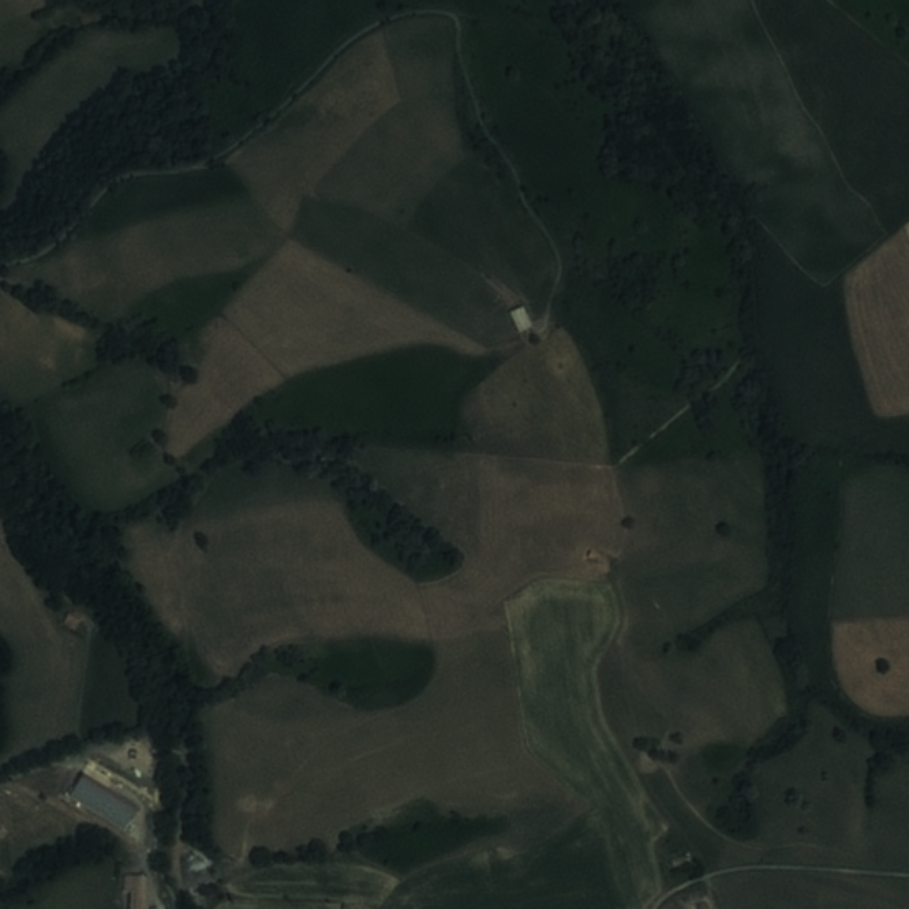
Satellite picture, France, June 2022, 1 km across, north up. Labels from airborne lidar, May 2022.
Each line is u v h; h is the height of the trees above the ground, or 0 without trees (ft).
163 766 58
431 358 0
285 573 0
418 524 23
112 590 88
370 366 0
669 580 0
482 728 0
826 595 0
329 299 0
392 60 0
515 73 54
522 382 0
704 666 0
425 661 0
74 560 71
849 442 0
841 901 0
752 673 0
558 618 0
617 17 55
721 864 0
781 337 0
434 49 0
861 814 0
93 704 0
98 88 0
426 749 0
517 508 0
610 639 0
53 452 0
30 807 0
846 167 0
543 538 0
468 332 0
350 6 0
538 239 0
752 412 42
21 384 0
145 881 0
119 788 0
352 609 0
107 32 29
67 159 65
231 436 40
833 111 0
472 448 0
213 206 0
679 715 0
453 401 0
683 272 20
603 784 0
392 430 0
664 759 41
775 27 0
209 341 0
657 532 0
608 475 0
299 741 0
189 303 0
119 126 66
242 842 0
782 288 0
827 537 0
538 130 0
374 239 0
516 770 0
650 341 0
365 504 21
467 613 0
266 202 0
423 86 0
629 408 0
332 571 0
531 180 0
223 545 0
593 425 0
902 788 0
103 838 65
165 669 34
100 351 43
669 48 0
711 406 52
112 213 0
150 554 0
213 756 0
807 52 0
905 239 0
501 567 0
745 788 63
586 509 0
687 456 0
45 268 0
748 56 0
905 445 0
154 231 0
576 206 0
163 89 46
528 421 0
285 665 36
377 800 0
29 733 0
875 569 0
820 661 0
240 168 0
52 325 0
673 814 0
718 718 0
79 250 0
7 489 50
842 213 0
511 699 0
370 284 0
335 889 0
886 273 0
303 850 40
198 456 0
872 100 0
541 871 0
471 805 0
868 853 0
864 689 0
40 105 0
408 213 0
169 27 35
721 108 0
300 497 0
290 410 0
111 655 0
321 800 0
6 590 0
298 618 0
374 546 23
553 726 0
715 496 0
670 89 67
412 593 0
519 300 0
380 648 0
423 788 0
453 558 46
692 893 0
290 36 0
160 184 0
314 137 0
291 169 0
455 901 0
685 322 0
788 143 0
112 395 0
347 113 0
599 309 0
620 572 0
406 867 0
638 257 32
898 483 0
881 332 0
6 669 73
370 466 0
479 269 0
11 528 34
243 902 0
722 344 0
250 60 0
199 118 28
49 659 0
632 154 80
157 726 52
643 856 0
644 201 0
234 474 0
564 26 56
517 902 0
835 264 0
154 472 0
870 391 0
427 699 0
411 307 0
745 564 0
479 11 0
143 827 0
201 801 63
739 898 0
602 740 0
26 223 69
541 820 0
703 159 60
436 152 0
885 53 0
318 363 0
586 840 0
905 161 0
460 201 0
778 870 0
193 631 0
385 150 0
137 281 0
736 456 0
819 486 0
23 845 0
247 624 0
